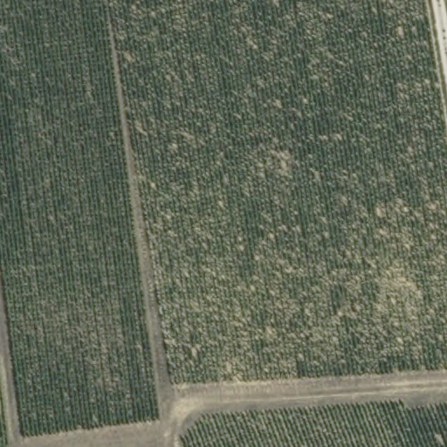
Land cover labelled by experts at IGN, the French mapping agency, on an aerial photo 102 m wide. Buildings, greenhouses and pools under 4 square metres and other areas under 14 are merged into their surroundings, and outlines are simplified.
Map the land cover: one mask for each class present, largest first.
<instances>
[{"label":"vineyard","instance_id":"1","mask_svg":"<svg viewBox=\"0 0 447 447\"><path fill-rule=\"evenodd\" d=\"M0 290L9 340L17 423L19 433L23 437L77 428L93 430L115 424L154 421L159 417L155 388L159 386L166 389L169 384L271 381L288 377L299 379L327 375L389 374L393 370L447 368V84L440 58L435 10L431 0H0ZM0 447H9L0 379ZM182 447H447V403L416 409H407L405 403L398 400L339 403L307 409H250L248 412L234 414L203 410L197 416L196 428H190L180 437Z\"/></svg>","mask_w":447,"mask_h":447},{"label":"herbaceous vegetation","instance_id":"2","mask_svg":"<svg viewBox=\"0 0 447 447\"><path fill-rule=\"evenodd\" d=\"M0 379L9 447H182L180 437L190 428H196L197 416L203 410L234 414L248 412L250 409H307L339 403L398 400L405 403L407 409H416L447 403V368L393 370L389 374L327 375L299 379L288 377L271 381L169 384L166 389L159 386L155 388L159 417L154 421L115 424L93 430L77 428L23 437L19 433L17 423L9 340L0 290Z\"/></svg>","mask_w":447,"mask_h":447},{"label":"pervious surface","instance_id":"3","mask_svg":"<svg viewBox=\"0 0 447 447\"><path fill-rule=\"evenodd\" d=\"M435 10L440 58L447 84V0H431Z\"/></svg>","mask_w":447,"mask_h":447}]
</instances>
